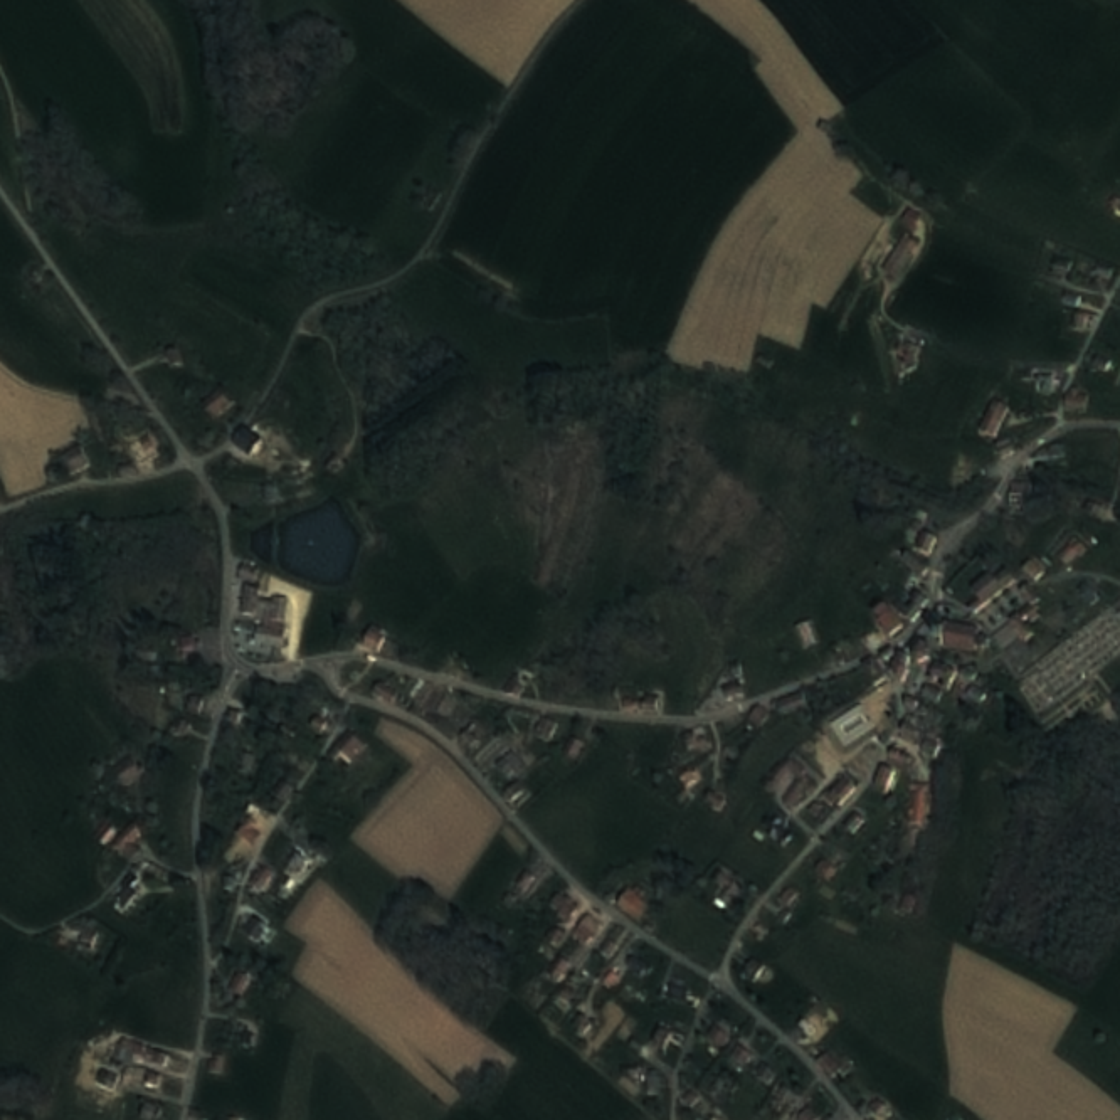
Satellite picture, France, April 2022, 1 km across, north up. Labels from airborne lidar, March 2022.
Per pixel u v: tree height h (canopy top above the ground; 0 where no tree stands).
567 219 0
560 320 0
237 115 20
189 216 0
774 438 0
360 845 0
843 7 0
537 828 0
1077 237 0
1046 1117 0
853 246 0
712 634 0
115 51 0
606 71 0
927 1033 0
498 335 0
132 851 0
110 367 15
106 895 0
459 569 0
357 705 0
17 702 0
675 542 0
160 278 0
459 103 0
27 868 0
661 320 0
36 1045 0
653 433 12
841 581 0
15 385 0
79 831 0
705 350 0
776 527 0
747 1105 0
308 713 11
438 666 0
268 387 0
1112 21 0
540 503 0
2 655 19
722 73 0
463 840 0
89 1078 0
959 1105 0
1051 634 0
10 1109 19
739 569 0
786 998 0
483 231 0
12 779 0
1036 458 0
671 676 0
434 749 0
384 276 0
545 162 0
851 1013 0
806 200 0
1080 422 0
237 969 9
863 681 0
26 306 0
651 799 0
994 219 0
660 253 0
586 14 0
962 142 0
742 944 0
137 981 0
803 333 0
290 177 0
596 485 0
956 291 0
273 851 0
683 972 0
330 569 0
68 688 0
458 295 0
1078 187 0
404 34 0
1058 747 13
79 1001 0
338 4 0
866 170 0
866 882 0
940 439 0
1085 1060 0
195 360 0
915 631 0
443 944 21
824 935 0
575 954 0
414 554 0
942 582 0
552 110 0
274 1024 0
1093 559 0
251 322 0
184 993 0
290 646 0
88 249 0
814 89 0
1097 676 0
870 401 0
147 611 0
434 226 0
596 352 0
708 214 0
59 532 7
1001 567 16
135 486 0
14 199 0
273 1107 0
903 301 0
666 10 0
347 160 0
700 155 0
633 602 14
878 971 0
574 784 0
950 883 0
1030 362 0
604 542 0
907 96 0
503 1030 0
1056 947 14
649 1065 0
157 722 0
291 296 0
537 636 0
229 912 7
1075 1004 0
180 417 0
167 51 0
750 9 0
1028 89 0
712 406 0
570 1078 0
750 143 0
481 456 0
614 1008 0
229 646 0
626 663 20
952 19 0
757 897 15
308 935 0
